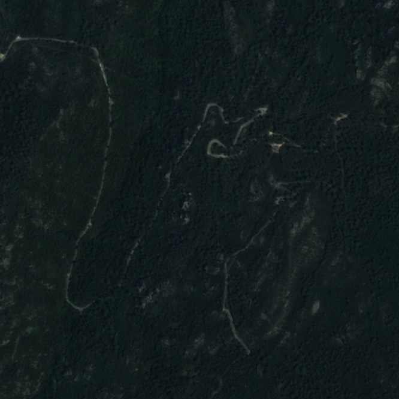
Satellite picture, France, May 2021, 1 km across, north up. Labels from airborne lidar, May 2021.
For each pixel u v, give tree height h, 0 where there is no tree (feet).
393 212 53
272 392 25
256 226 20
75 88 27
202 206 39
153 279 20
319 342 18
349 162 58
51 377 44
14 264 25
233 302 39
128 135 26
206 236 56
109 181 36
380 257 19
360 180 49
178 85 35
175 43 27
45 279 25
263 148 58
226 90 51
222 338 43
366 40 26
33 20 29
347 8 31
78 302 19
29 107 25
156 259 21
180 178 30
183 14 21
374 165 31
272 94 66
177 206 23
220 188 23
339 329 48
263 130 64
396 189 46
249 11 45
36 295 26
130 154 29
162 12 39
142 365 34
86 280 58
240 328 41
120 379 20
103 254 30
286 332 28
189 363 45
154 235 22
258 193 35
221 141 20
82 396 17
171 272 18
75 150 32
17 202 18
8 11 26
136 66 40
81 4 22
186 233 43
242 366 25
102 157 27
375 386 20
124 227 18
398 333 22
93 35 31
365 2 19
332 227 18
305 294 25
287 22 25
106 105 25
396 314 30
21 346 23
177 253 63
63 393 26
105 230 37
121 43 28
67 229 23
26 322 27
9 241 22
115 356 19
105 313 73
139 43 27
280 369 25
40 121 24
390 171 42
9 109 70
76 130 27
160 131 24
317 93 47
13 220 52
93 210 25
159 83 62
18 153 66
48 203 21
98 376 19
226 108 69
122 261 52
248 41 20
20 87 39
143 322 28
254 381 23
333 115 52
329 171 78
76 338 56
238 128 21
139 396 41
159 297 18
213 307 23
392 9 20
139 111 24
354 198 21
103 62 31
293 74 20
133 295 38
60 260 23
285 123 48
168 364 29
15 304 25
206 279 19
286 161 45
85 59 17
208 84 50
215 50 36
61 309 22
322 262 53
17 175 41
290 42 19
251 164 44
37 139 26
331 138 59
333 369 34
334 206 54
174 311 18
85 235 20
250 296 24
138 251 17
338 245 60
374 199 54
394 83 23
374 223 23
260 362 23
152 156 28
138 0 36
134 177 46
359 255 24
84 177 18
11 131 56
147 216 19
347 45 59
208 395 21
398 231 35
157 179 18
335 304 22
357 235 24
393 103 19
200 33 25
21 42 25
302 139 78
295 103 52
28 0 28
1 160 57
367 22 21
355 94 55
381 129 66
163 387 51
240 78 20
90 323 34
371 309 23
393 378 20
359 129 67
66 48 21
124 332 20
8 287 31
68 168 22
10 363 20
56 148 25
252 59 73
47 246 24
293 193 36
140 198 26
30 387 19
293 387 34
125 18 20
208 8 35
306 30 68
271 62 21
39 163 20
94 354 20
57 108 43
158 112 35
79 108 29
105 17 35
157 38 61
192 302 27
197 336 30
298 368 40
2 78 23
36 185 38
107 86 35
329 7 30
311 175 64
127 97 30
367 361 21
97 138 23
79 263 37
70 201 20
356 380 19
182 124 31
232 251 29
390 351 22
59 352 44
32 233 33
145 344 29
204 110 26
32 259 21
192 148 18
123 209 65
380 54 31
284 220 52
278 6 77
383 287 22
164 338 28
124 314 31
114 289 29
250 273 44
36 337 21
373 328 31
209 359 40
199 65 20
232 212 20
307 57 59
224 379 23
